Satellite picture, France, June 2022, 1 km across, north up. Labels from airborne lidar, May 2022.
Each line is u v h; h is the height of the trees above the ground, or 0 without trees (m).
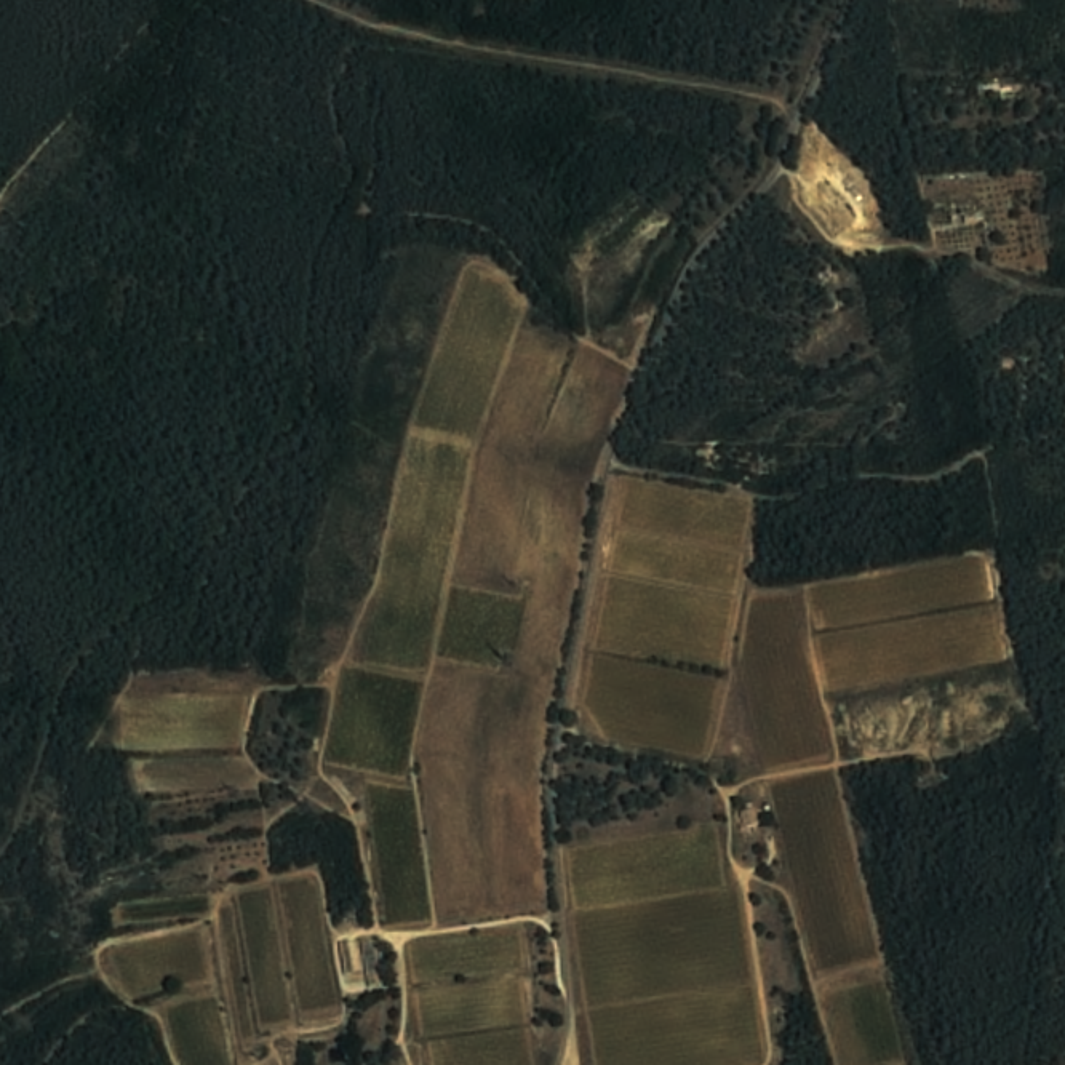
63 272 13
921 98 17
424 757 0
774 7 17
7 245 7
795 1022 9
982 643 0
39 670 21
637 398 19
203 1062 0
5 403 20
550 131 12
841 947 0
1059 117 20
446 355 0
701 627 0
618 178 14
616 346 0
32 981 9
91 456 12
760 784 0
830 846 0
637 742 0
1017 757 8
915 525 16
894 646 0
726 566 0
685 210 7
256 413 16
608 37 14
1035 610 16
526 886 0
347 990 0
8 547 22
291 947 0
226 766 0
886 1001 0
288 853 11
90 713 7
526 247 17
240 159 16
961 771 11
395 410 0
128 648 17
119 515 18
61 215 10
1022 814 17
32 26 16
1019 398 19
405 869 0
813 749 0
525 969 0
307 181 16
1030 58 7
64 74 13
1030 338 16
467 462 0
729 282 15
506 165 16
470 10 12
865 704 0
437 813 0
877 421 12
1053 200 17
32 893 6
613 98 17
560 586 0
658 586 0
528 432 0
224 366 16
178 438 23
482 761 0
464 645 0
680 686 0
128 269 9
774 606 0
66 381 13
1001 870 17
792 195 0
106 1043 6
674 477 7
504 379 0
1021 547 8
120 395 6
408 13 15
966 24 7
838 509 13
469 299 0
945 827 17
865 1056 0
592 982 0
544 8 15
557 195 17
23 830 6
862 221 0
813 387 17
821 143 0
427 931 0
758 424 16
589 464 0
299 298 15
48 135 13
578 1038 0
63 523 20
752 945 0
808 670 0
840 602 0
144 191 18
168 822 15
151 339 15
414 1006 0
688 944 0
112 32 14
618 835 0
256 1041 0
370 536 0
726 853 0
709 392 19
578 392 0
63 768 14
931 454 5
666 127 15
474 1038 0
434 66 16
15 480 20
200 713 0
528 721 0
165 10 12
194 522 18
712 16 17
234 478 22
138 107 8
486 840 0
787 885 0
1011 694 0
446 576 0
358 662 0
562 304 13
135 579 19
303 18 14
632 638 0
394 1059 18
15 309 11
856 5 14
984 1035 12
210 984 0
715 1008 0
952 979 8
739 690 0
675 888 0
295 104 16
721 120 18
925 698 0
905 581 0
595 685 0
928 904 9
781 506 6
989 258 14
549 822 10
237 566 20
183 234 22
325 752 0
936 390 10
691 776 19
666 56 13
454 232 15
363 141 17
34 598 19
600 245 0
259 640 16
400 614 0
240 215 17
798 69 6
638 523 0
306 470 15
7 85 14
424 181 17
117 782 10
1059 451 15
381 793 0
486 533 0
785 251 15
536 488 0
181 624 15
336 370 17
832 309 16
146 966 0
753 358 18
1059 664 17
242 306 22
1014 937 10
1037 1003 14
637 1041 0
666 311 6
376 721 0
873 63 17
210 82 9
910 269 10
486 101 15
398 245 14
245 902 0
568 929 0
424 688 0
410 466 0
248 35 16
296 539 7
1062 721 18
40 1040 6
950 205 0
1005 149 22
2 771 8
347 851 6
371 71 16
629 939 0
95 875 13
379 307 14
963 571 0
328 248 17
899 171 19
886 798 9
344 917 13
